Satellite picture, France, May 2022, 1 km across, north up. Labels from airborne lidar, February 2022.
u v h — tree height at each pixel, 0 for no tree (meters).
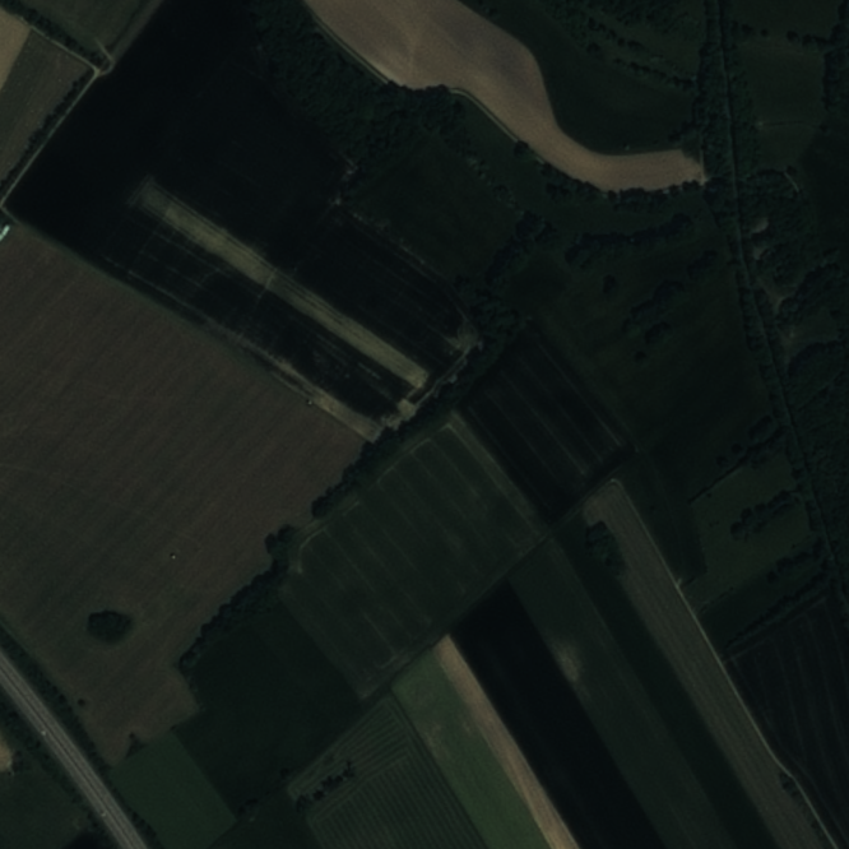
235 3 0
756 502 0
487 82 0
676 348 0
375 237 0
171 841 0
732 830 0
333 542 0
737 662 0
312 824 0
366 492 0
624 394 0
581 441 0
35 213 0
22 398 0
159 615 0
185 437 0
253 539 0
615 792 0
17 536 0
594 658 0
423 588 0
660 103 0
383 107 25
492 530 0
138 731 0
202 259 0
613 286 19
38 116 0
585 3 8
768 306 18
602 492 0
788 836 0
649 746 0
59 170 0
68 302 0
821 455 8
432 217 0
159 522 0
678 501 0
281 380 0
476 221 0
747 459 11
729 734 0
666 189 0
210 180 0
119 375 0
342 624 0
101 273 0
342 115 25
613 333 0
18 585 0
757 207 19
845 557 21
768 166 0
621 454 0
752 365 0
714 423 0
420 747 0
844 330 12
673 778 0
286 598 0
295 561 0
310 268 0
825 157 0
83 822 0
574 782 0
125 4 0
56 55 0
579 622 0
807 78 0
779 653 0
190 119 0
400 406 0
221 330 0
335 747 0
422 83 0
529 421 0
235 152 0
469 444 0
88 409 0
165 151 0
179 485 0
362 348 0
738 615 0
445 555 0
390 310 0
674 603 0
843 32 19
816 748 0
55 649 0
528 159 11
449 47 0
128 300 0
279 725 0
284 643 0
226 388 0
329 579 0
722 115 13
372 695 0
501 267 20
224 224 0
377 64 0
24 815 0
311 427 0
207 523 0
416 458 0
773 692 0
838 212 0
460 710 0
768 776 0
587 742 0
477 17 0
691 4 0
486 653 0
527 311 0
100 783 0
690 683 0
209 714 0
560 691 0
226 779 0
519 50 0
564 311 0
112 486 0
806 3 0
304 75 22
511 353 0
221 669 0
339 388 0
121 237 0
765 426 12
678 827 0
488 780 0
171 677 0
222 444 0
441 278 0
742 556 0
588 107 0
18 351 0
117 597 0
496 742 0
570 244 0
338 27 0
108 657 0
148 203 0
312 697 0
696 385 0
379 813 0
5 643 10
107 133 0
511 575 0
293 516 0
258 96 0
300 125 0
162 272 0
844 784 0
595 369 0
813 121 0
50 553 0
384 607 0
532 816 0
